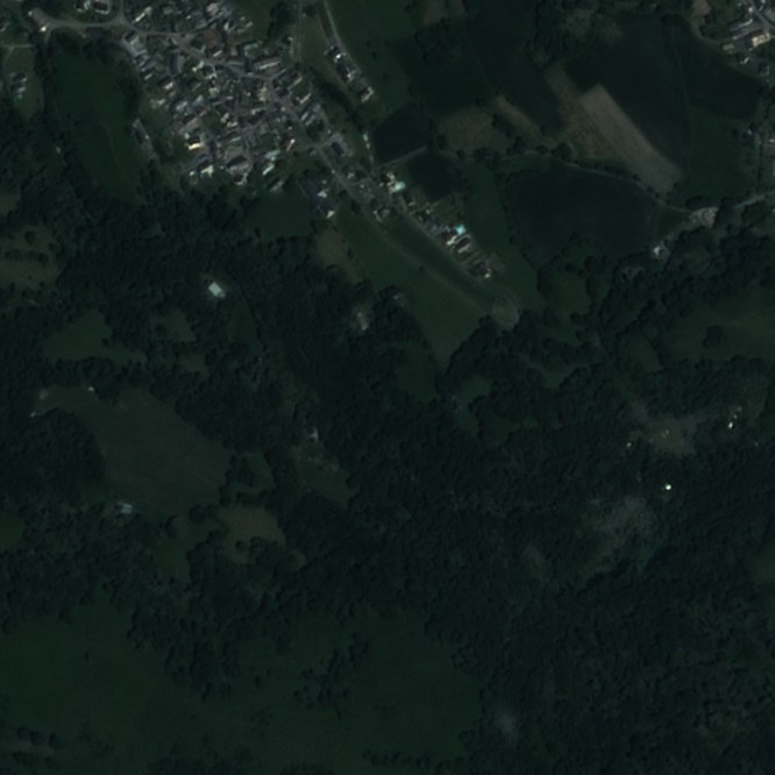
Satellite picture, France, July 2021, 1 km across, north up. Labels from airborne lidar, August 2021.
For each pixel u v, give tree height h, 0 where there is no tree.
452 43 11
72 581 23
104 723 0
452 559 24
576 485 13
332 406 11
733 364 14
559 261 15
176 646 11
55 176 8
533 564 7
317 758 0
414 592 25
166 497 0
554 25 11
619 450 10
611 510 10
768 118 7
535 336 29
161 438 0
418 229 0
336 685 18
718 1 0
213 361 20
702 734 24
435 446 26
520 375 26
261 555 20
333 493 0
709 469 11
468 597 15
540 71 6
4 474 26
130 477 0
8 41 0
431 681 0
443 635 23
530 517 19
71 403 0
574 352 22
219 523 6
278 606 14
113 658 0
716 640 21
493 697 16
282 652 9
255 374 23
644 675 30
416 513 26
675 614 25
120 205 22
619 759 26
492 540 22
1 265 0
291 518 16
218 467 0
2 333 19
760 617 22
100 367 26
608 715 23
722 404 10
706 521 20
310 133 12
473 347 22
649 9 16
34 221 12
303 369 15
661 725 21
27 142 19
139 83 6
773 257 15
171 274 21
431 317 0
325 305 21
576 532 13
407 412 22
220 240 10
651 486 12
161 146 9
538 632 25
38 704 0
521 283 0
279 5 10
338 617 8
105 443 0
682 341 0
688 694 26
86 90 0
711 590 22
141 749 0
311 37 0
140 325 18
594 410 16
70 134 9
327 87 16
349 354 7
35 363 25
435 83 0
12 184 14
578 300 0
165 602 29
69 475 27
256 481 26
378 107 0
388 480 29
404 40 0
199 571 21
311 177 16
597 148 0
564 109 0
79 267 29
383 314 10
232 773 5
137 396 0
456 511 21
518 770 10
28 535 14
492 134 0
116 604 13
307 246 18
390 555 20
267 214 0
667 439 0
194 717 8
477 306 0
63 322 24
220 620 17
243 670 16
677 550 9
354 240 0
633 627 27
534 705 22
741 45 0
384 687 0
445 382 19
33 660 0
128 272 20
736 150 0
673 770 21
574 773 24
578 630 14
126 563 18
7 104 10
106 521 24
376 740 0
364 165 6
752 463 15
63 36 10
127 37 0
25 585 22
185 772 8
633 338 15
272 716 8
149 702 0
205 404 16
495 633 20
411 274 0
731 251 17
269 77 0
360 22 0
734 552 9
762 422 13
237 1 0
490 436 21
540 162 0
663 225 0
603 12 14
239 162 0
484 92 0
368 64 0
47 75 14
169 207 18
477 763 18
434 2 0
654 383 13
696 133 0
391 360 12
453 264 0
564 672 21
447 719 0
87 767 0
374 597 21
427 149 6
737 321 0
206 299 21
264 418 21
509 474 21
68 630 0
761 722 22
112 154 0
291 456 26
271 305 16
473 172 0
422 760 8
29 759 18
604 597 25
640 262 18
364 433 28
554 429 13
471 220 0
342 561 25
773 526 13
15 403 22
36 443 22
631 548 7
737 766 27
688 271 18
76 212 23
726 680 25
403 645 0
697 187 0
